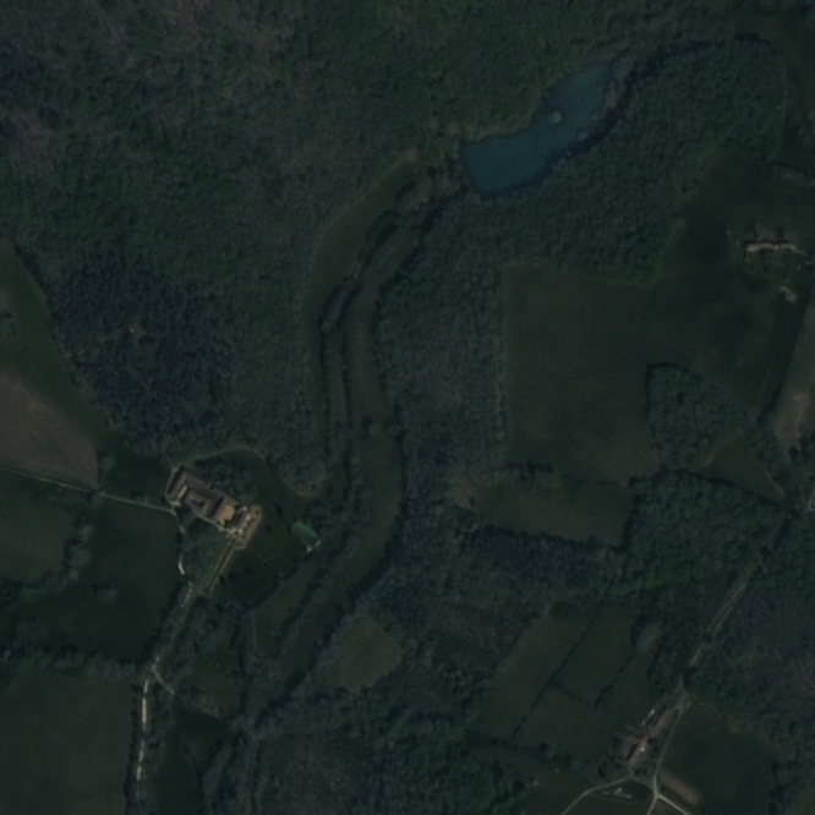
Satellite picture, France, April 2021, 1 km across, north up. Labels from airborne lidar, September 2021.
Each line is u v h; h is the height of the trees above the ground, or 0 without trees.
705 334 0
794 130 6
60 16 14
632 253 23
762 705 11
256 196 19
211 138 25
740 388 0
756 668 6
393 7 19
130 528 0
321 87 22
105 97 18
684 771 0
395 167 18
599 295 0
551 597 20
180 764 0
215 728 0
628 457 0
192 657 18
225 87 23
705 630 20
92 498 12
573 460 0
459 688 16
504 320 6
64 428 0
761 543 20
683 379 18
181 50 22
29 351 0
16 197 22
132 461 0
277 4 23
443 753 20
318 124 20
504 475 17
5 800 0
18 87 32
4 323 17
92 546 0
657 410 20
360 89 23
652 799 0
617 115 9
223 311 28
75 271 20
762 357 0
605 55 8
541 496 0
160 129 18
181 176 21
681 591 11
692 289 0
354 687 0
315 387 0
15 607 7
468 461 20
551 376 0
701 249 0
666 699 18
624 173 26
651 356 0
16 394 0
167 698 22
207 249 23
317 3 24
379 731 15
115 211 26
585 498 0
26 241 21
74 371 15
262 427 19
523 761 0
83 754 0
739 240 0
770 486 0
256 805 14
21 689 0
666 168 26
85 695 0
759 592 11
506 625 8
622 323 0
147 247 22
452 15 24
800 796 21
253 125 21
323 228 19
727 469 0
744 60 27
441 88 25
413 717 8
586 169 31
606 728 0
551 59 23
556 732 0
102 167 18
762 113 23
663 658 8
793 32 0
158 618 0
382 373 12
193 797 0
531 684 0
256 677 21
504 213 19
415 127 29
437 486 18
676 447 24
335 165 16
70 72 12
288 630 15
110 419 16
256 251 15
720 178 0
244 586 0
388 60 25
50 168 22
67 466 0
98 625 0
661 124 21
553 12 26
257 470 0
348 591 0
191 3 23
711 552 20
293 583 0
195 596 20
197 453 19
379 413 0
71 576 22
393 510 0
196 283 21
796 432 0
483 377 16
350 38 24
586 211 21
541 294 0
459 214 18
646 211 19
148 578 0
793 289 0
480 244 14
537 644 0
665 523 24
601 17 29
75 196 26
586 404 0
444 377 15
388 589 22
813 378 0
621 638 0
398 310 19
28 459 0
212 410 7
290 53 23
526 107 23
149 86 19
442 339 18
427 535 11
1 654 9
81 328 25
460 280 13
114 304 25
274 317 20
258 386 19
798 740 20
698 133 27
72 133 23
